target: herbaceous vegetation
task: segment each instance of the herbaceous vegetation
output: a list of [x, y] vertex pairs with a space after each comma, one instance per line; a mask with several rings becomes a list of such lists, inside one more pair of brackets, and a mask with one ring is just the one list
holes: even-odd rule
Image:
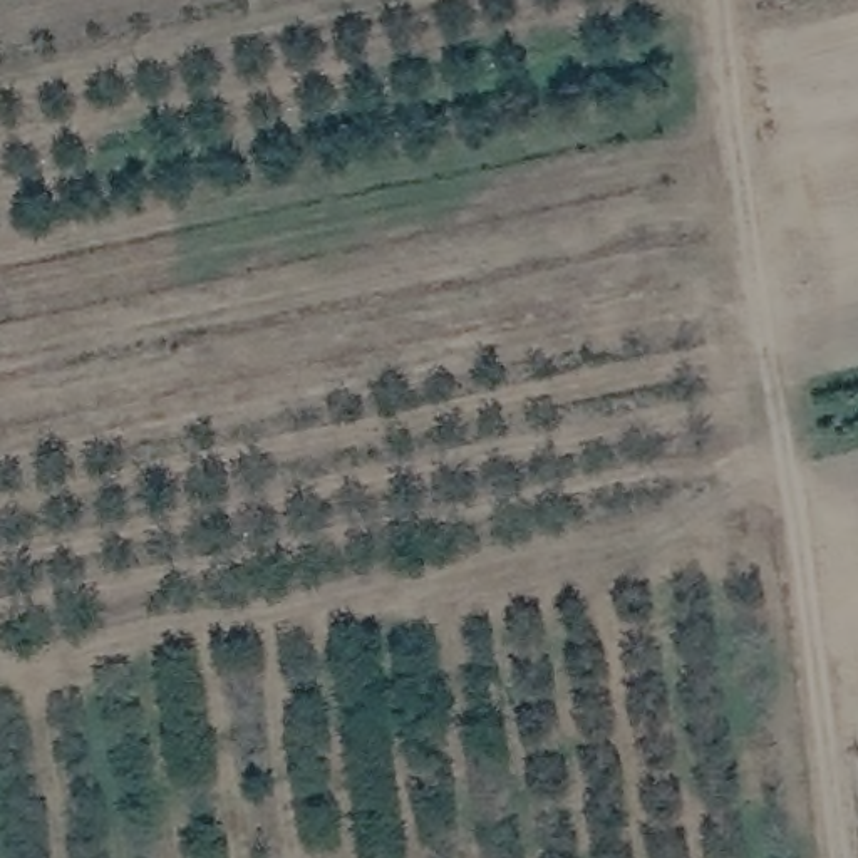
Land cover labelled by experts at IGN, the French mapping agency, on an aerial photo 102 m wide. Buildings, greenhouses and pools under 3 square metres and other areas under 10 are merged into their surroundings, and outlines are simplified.
[[322, 530], [288, 530], [278, 536], [278, 543], [285, 550], [325, 543], [345, 546], [345, 516], [328, 516]]
[[37, 583], [34, 590], [0, 597], [0, 623], [23, 610], [34, 610], [37, 603], [54, 603], [54, 587]]
[[801, 27], [818, 23], [824, 17], [858, 13], [858, 0], [741, 0], [734, 7], [737, 34], [764, 34], [771, 27]]
[[808, 459], [828, 459], [858, 449], [858, 426], [845, 436], [828, 432], [831, 416], [814, 416], [814, 399], [835, 392], [858, 392], [858, 369], [814, 382], [811, 392], [788, 409], [798, 452], [804, 452]]
[[[419, 841], [412, 791], [399, 788], [412, 781], [409, 761], [402, 751], [402, 737], [392, 737], [392, 774], [406, 835], [406, 858], [486, 858], [479, 851], [473, 828], [476, 821], [499, 821], [506, 814], [516, 814], [519, 821], [519, 845], [526, 858], [540, 858], [540, 835], [553, 831], [556, 811], [570, 811], [576, 851], [590, 851], [590, 821], [583, 808], [587, 774], [576, 747], [580, 727], [573, 721], [573, 690], [563, 657], [566, 630], [560, 620], [560, 607], [576, 597], [583, 597], [607, 657], [613, 744], [620, 751], [623, 771], [623, 841], [630, 845], [633, 858], [647, 858], [647, 811], [640, 801], [644, 757], [637, 747], [644, 724], [630, 724], [627, 714], [627, 677], [620, 650], [627, 633], [650, 633], [660, 647], [660, 674], [667, 684], [667, 714], [660, 721], [660, 731], [674, 737], [670, 764], [674, 778], [680, 781], [680, 828], [687, 835], [687, 858], [704, 858], [704, 804], [694, 794], [697, 754], [690, 747], [690, 737], [684, 734], [684, 704], [677, 687], [684, 667], [680, 654], [674, 650], [670, 617], [670, 576], [677, 570], [700, 570], [711, 587], [711, 613], [717, 627], [714, 674], [724, 690], [727, 737], [731, 747], [741, 754], [741, 791], [731, 798], [741, 818], [741, 845], [734, 858], [818, 858], [818, 804], [811, 784], [808, 731], [808, 694], [794, 647], [791, 563], [784, 546], [781, 489], [774, 476], [764, 389], [754, 365], [754, 345], [744, 325], [737, 318], [727, 318], [727, 305], [737, 302], [744, 292], [734, 268], [734, 198], [721, 158], [721, 141], [714, 131], [714, 114], [697, 101], [694, 67], [694, 57], [704, 50], [704, 0], [640, 0], [660, 10], [657, 27], [660, 47], [670, 54], [670, 80], [664, 94], [637, 94], [630, 111], [610, 111], [603, 101], [560, 107], [546, 104], [536, 107], [526, 127], [499, 131], [483, 147], [469, 147], [459, 137], [456, 121], [442, 127], [442, 137], [426, 151], [422, 161], [409, 158], [402, 131], [392, 131], [392, 137], [379, 147], [375, 161], [349, 161], [345, 171], [332, 174], [322, 168], [318, 158], [298, 151], [302, 164], [292, 171], [292, 178], [285, 184], [271, 184], [251, 151], [255, 127], [248, 101], [255, 94], [275, 94], [282, 104], [282, 121], [288, 127], [302, 127], [295, 87], [302, 84], [305, 90], [325, 90], [332, 97], [332, 111], [342, 114], [349, 104], [349, 67], [335, 54], [335, 20], [342, 13], [362, 13], [369, 20], [365, 64], [372, 67], [379, 87], [392, 87], [392, 74], [402, 70], [429, 70], [429, 101], [479, 94], [499, 84], [499, 67], [493, 54], [479, 54], [473, 60], [446, 60], [442, 30], [416, 34], [412, 54], [392, 57], [392, 44], [382, 27], [382, 7], [426, 7], [436, 0], [248, 0], [245, 13], [221, 13], [211, 20], [184, 23], [181, 7], [211, 0], [0, 0], [0, 509], [40, 509], [50, 496], [64, 493], [74, 493], [80, 499], [80, 519], [74, 530], [37, 530], [34, 536], [0, 543], [0, 566], [3, 560], [17, 560], [20, 550], [27, 550], [30, 560], [70, 550], [84, 560], [84, 583], [101, 600], [101, 623], [84, 640], [54, 640], [37, 647], [30, 657], [17, 657], [13, 650], [0, 647], [0, 687], [13, 687], [23, 700], [23, 714], [30, 724], [27, 761], [37, 791], [47, 798], [50, 858], [67, 858], [70, 781], [64, 764], [57, 764], [54, 757], [57, 727], [47, 717], [50, 690], [94, 684], [94, 694], [141, 700], [141, 707], [154, 707], [158, 690], [151, 657], [158, 654], [168, 660], [171, 650], [191, 644], [204, 680], [208, 721], [215, 727], [218, 774], [215, 781], [188, 784], [191, 791], [184, 798], [171, 798], [164, 804], [164, 818], [158, 828], [144, 831], [127, 824], [124, 835], [107, 835], [104, 841], [111, 858], [184, 858], [181, 831], [194, 814], [218, 818], [221, 835], [228, 841], [228, 858], [359, 858], [352, 835], [352, 794], [342, 754], [342, 707], [325, 657], [332, 620], [339, 627], [372, 630], [379, 637], [379, 664], [385, 674], [392, 670], [392, 623], [422, 620], [436, 630], [439, 640], [439, 667], [446, 674], [446, 687], [452, 697], [446, 711], [442, 751], [449, 754], [452, 768], [456, 818], [449, 841], [439, 841], [432, 851]], [[318, 74], [305, 74], [302, 80], [285, 64], [282, 47], [282, 30], [292, 23], [308, 23], [318, 30]], [[238, 77], [235, 40], [251, 34], [268, 44], [271, 67], [258, 77]], [[181, 121], [178, 137], [161, 137], [158, 131], [147, 131], [141, 124], [141, 117], [151, 111], [188, 107], [188, 84], [168, 87], [168, 94], [127, 94], [121, 104], [111, 107], [97, 107], [87, 101], [87, 80], [97, 70], [134, 74], [141, 60], [171, 64], [194, 47], [208, 47], [218, 60], [221, 77], [218, 84], [211, 84], [211, 94], [225, 101], [225, 124], [215, 121], [211, 127], [194, 131], [188, 121]], [[50, 80], [67, 84], [67, 114], [44, 114], [40, 87]], [[194, 181], [178, 208], [154, 194], [144, 194], [137, 215], [114, 211], [101, 221], [64, 221], [54, 225], [47, 235], [34, 238], [13, 228], [10, 211], [20, 181], [3, 171], [3, 147], [17, 141], [37, 151], [37, 168], [50, 198], [64, 194], [57, 184], [64, 178], [117, 171], [127, 158], [158, 161], [174, 154], [201, 154], [228, 141], [241, 151], [248, 184], [218, 188], [211, 181]], [[499, 359], [506, 369], [506, 382], [496, 389], [479, 385], [473, 379], [476, 359], [483, 365], [493, 365]], [[379, 416], [372, 382], [385, 369], [399, 369], [409, 379], [409, 385], [422, 385], [426, 375], [446, 369], [452, 372], [452, 395], [442, 402], [402, 409], [395, 416]], [[526, 422], [526, 402], [533, 395], [550, 395], [553, 402], [583, 399], [613, 389], [667, 382], [677, 369], [690, 369], [694, 379], [707, 382], [704, 395], [697, 399], [654, 406], [623, 399], [613, 402], [613, 416], [570, 412], [556, 429], [533, 429]], [[332, 419], [325, 395], [335, 389], [349, 389], [362, 399], [362, 416], [355, 422]], [[486, 436], [469, 446], [432, 446], [412, 456], [392, 456], [385, 442], [389, 432], [426, 432], [442, 416], [466, 419], [476, 416], [483, 406], [496, 402], [503, 406], [506, 436]], [[147, 540], [151, 533], [188, 530], [188, 469], [201, 466], [211, 456], [221, 463], [238, 459], [245, 452], [275, 456], [275, 476], [261, 489], [241, 486], [225, 496], [225, 513], [231, 516], [245, 503], [265, 503], [271, 509], [285, 506], [295, 489], [308, 489], [325, 499], [355, 479], [369, 493], [382, 493], [402, 473], [429, 476], [446, 466], [479, 469], [486, 459], [499, 456], [530, 459], [543, 446], [553, 446], [556, 452], [580, 452], [583, 442], [613, 442], [633, 426], [664, 436], [660, 459], [610, 466], [600, 473], [566, 479], [536, 479], [523, 489], [479, 489], [469, 503], [419, 503], [422, 519], [476, 523], [479, 540], [479, 550], [463, 553], [446, 566], [426, 566], [419, 576], [372, 566], [369, 573], [325, 580], [312, 590], [288, 590], [282, 600], [147, 613], [147, 593], [158, 590], [158, 583], [168, 573], [218, 573], [228, 563], [255, 560], [251, 546], [235, 543], [211, 556], [174, 556], [131, 570], [104, 566], [101, 546], [107, 536]], [[87, 473], [84, 449], [97, 439], [121, 442], [121, 469], [97, 476]], [[50, 459], [64, 449], [70, 459], [70, 476], [60, 483], [37, 486], [34, 452]], [[168, 469], [174, 493], [174, 506], [151, 516], [147, 503], [141, 499], [141, 476], [147, 469]], [[674, 483], [674, 496], [660, 506], [630, 506], [627, 513], [613, 513], [597, 506], [593, 499], [593, 489], [654, 486], [657, 479]], [[97, 519], [97, 493], [104, 486], [124, 486], [127, 519]], [[570, 523], [563, 533], [540, 533], [513, 546], [493, 540], [493, 509], [523, 506], [546, 493], [576, 496], [583, 506], [583, 519]], [[737, 603], [727, 597], [724, 580], [741, 576], [747, 570], [757, 570], [761, 576], [761, 603]], [[650, 617], [620, 620], [620, 613], [613, 610], [613, 597], [647, 587]], [[506, 644], [506, 620], [513, 620], [519, 610], [533, 610], [536, 603], [543, 630], [533, 640]], [[489, 700], [503, 714], [509, 747], [509, 761], [496, 771], [486, 771], [479, 761], [469, 764], [463, 747], [463, 664], [469, 660], [463, 623], [469, 613], [486, 613], [493, 627], [493, 664], [499, 674], [489, 680]], [[315, 664], [295, 667], [288, 677], [282, 677], [278, 637], [295, 627], [302, 627], [312, 637]], [[218, 670], [211, 647], [248, 640], [251, 630], [258, 630], [261, 637], [265, 667]], [[513, 677], [513, 657], [550, 657], [553, 684], [523, 687]], [[282, 741], [285, 700], [292, 690], [298, 697], [312, 697], [322, 690], [325, 700], [328, 794], [339, 804], [339, 848], [332, 851], [305, 851], [298, 838]], [[523, 741], [516, 724], [519, 700], [553, 700], [553, 727], [540, 737]], [[526, 754], [556, 747], [566, 757], [566, 794], [540, 798], [526, 784]]]
[[580, 40], [583, 17], [617, 17], [633, 0], [469, 0], [469, 27], [476, 44], [493, 44], [513, 34], [526, 47], [526, 67], [533, 84], [546, 84], [563, 60], [587, 60], [587, 47]]

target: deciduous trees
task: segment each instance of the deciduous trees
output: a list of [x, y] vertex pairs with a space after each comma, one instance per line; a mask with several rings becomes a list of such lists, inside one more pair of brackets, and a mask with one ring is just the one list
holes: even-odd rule
[[814, 416], [831, 416], [828, 432], [845, 436], [858, 426], [858, 392], [835, 392], [814, 399]]
[[385, 442], [392, 456], [412, 456], [432, 446], [469, 446], [486, 436], [506, 436], [503, 406], [496, 402], [483, 406], [476, 416], [466, 419], [442, 416], [426, 432], [389, 432]]
[[248, 0], [211, 0], [181, 7], [184, 23], [211, 20], [221, 13], [245, 13]]
[[533, 640], [543, 630], [536, 603], [533, 610], [519, 610], [513, 620], [506, 620], [506, 644]]
[[506, 814], [499, 821], [476, 821], [473, 828], [479, 851], [486, 858], [526, 858], [519, 845], [519, 821], [516, 814]]
[[349, 389], [335, 389], [325, 395], [332, 419], [355, 422], [362, 416], [362, 399]]
[[516, 724], [523, 741], [540, 737], [553, 727], [553, 700], [519, 700]]
[[566, 757], [556, 747], [526, 754], [526, 784], [540, 798], [566, 794]]
[[13, 687], [0, 687], [0, 858], [50, 858], [47, 798], [37, 791], [27, 761], [30, 724], [23, 714], [23, 700]]
[[647, 587], [613, 597], [613, 610], [620, 613], [620, 620], [650, 617]]
[[184, 858], [228, 858], [228, 841], [221, 835], [218, 818], [194, 814], [181, 831]]
[[141, 499], [147, 503], [151, 516], [174, 506], [174, 493], [168, 469], [147, 469], [141, 476]]
[[670, 576], [670, 617], [674, 650], [680, 654], [684, 667], [677, 687], [684, 704], [684, 734], [690, 737], [690, 747], [697, 754], [694, 794], [704, 804], [704, 858], [734, 858], [741, 845], [741, 818], [731, 798], [741, 791], [741, 754], [731, 747], [727, 737], [724, 690], [714, 674], [717, 627], [711, 613], [711, 587], [700, 570], [677, 570]]
[[526, 402], [526, 422], [533, 429], [556, 429], [570, 412], [613, 416], [613, 402], [623, 399], [654, 406], [697, 399], [704, 395], [707, 382], [694, 379], [690, 369], [677, 369], [667, 382], [613, 389], [583, 399], [553, 402], [550, 395], [533, 395]]
[[412, 791], [419, 841], [432, 851], [439, 841], [449, 841], [456, 818], [452, 768], [449, 754], [442, 751], [446, 711], [452, 697], [446, 687], [446, 674], [439, 667], [439, 640], [436, 630], [422, 620], [392, 623], [392, 670], [385, 674], [379, 664], [379, 637], [372, 630], [339, 627], [332, 620], [325, 657], [342, 707], [342, 754], [352, 794], [352, 835], [359, 858], [406, 858], [406, 835], [392, 774], [392, 737], [402, 737], [402, 751], [409, 761], [412, 781], [399, 788]]
[[101, 600], [84, 583], [84, 560], [70, 550], [30, 560], [27, 550], [20, 550], [17, 560], [3, 560], [0, 566], [0, 597], [34, 590], [37, 583], [54, 587], [54, 603], [37, 603], [34, 610], [23, 610], [0, 623], [0, 647], [13, 650], [17, 657], [30, 657], [37, 647], [54, 640], [84, 640], [101, 623]]
[[124, 486], [104, 486], [97, 493], [97, 519], [127, 519]]
[[151, 111], [141, 117], [141, 124], [147, 131], [158, 131], [161, 137], [178, 137], [181, 121], [188, 121], [194, 131], [211, 127], [215, 121], [225, 124], [225, 101], [211, 94], [211, 84], [218, 84], [221, 77], [218, 60], [208, 47], [194, 47], [171, 64], [141, 60], [134, 74], [97, 70], [87, 80], [87, 101], [97, 107], [111, 107], [121, 104], [127, 94], [168, 94], [168, 87], [188, 84], [188, 107]]
[[322, 168], [332, 174], [345, 171], [349, 161], [375, 161], [379, 147], [392, 137], [392, 131], [402, 131], [409, 158], [422, 161], [426, 151], [442, 137], [442, 127], [456, 121], [459, 137], [469, 147], [483, 147], [499, 131], [526, 127], [536, 107], [546, 104], [560, 107], [603, 101], [610, 111], [630, 111], [637, 94], [664, 94], [670, 80], [670, 54], [660, 47], [657, 27], [660, 10], [640, 0], [633, 0], [617, 17], [583, 17], [580, 40], [587, 47], [587, 60], [563, 60], [546, 84], [533, 84], [526, 67], [526, 47], [513, 34], [493, 44], [476, 44], [469, 27], [469, 0], [436, 0], [426, 7], [382, 7], [382, 27], [392, 44], [392, 57], [412, 54], [416, 34], [442, 30], [446, 60], [473, 60], [479, 54], [493, 54], [499, 67], [499, 84], [479, 94], [429, 101], [429, 70], [402, 70], [392, 74], [392, 87], [379, 87], [372, 67], [365, 64], [369, 20], [362, 13], [342, 13], [335, 20], [335, 54], [349, 67], [349, 104], [342, 114], [332, 111], [332, 97], [325, 90], [305, 90], [302, 84], [295, 87], [302, 127], [288, 127], [282, 121], [282, 104], [275, 94], [255, 94], [248, 101], [255, 127], [251, 151], [271, 184], [285, 184], [292, 178], [292, 171], [302, 164], [298, 151], [318, 158]]
[[0, 543], [34, 536], [37, 530], [74, 530], [80, 519], [80, 499], [74, 493], [64, 493], [50, 496], [40, 509], [0, 509]]
[[509, 761], [509, 747], [503, 714], [489, 700], [489, 680], [499, 674], [493, 664], [493, 627], [486, 613], [469, 613], [463, 623], [469, 660], [463, 664], [463, 747], [469, 764], [479, 761], [486, 771], [496, 771]]
[[523, 687], [553, 684], [550, 657], [513, 657], [513, 677]]
[[121, 469], [121, 442], [97, 439], [84, 449], [87, 473], [97, 476]]
[[576, 597], [560, 607], [560, 620], [566, 630], [563, 657], [573, 690], [573, 721], [580, 727], [576, 747], [587, 774], [583, 808], [590, 821], [590, 851], [576, 851], [570, 811], [556, 811], [553, 831], [540, 835], [540, 858], [633, 858], [630, 845], [623, 841], [623, 771], [620, 751], [613, 744], [607, 657], [583, 597]]
[[570, 523], [583, 519], [583, 506], [576, 496], [546, 493], [523, 506], [493, 509], [493, 540], [513, 546], [540, 533], [563, 533]]
[[312, 637], [302, 627], [295, 627], [278, 637], [282, 677], [288, 677], [295, 667], [315, 664]]
[[308, 23], [292, 23], [282, 30], [282, 47], [285, 64], [302, 80], [305, 74], [318, 74], [318, 30]]
[[[325, 499], [308, 489], [295, 489], [285, 506], [271, 509], [265, 503], [245, 503], [231, 516], [225, 513], [225, 496], [241, 486], [261, 489], [275, 476], [275, 456], [245, 452], [238, 459], [221, 463], [211, 456], [201, 466], [188, 469], [188, 530], [151, 533], [147, 540], [107, 536], [101, 546], [104, 566], [131, 570], [174, 556], [211, 556], [235, 543], [251, 546], [255, 560], [228, 563], [218, 573], [168, 573], [158, 583], [158, 590], [147, 593], [147, 613], [282, 600], [288, 590], [312, 590], [325, 580], [369, 573], [372, 566], [419, 576], [426, 566], [446, 566], [463, 553], [479, 550], [479, 540], [476, 523], [422, 519], [419, 503], [469, 503], [479, 489], [523, 489], [536, 479], [566, 479], [600, 473], [610, 466], [660, 459], [664, 436], [633, 426], [613, 442], [583, 442], [580, 452], [556, 452], [553, 446], [543, 446], [530, 459], [499, 456], [486, 459], [479, 469], [446, 466], [429, 476], [402, 473], [382, 493], [369, 493], [355, 479]], [[345, 546], [325, 543], [285, 550], [278, 543], [278, 536], [288, 530], [322, 530], [328, 516], [345, 516]]]
[[215, 781], [218, 774], [215, 727], [208, 721], [204, 680], [191, 644], [171, 650], [168, 660], [158, 654], [151, 657], [158, 690], [154, 707], [141, 707], [141, 700], [94, 694], [94, 684], [50, 690], [47, 717], [57, 727], [54, 757], [57, 764], [64, 764], [70, 781], [67, 858], [111, 858], [104, 841], [107, 835], [124, 835], [127, 824], [144, 831], [158, 828], [164, 818], [164, 804], [171, 798], [184, 798], [191, 791], [188, 784]]
[[34, 452], [37, 486], [60, 483], [70, 476], [70, 459], [64, 449], [50, 459]]
[[379, 416], [395, 416], [402, 409], [442, 402], [452, 395], [452, 372], [446, 369], [426, 375], [422, 385], [409, 385], [409, 379], [399, 369], [385, 369], [372, 382]]
[[218, 670], [265, 667], [261, 637], [258, 630], [251, 630], [248, 640], [211, 647]]
[[251, 34], [235, 40], [238, 77], [258, 77], [271, 67], [268, 44]]
[[687, 858], [687, 835], [680, 828], [680, 781], [674, 778], [670, 764], [674, 737], [660, 731], [660, 721], [667, 714], [667, 684], [660, 674], [660, 647], [650, 633], [627, 633], [620, 650], [627, 677], [627, 714], [630, 724], [644, 724], [637, 747], [644, 757], [640, 801], [647, 811], [647, 858]]
[[757, 570], [747, 570], [741, 576], [724, 580], [727, 597], [737, 603], [761, 603], [761, 576]]
[[47, 235], [54, 225], [64, 221], [101, 221], [114, 211], [137, 215], [144, 194], [154, 194], [178, 208], [194, 181], [211, 181], [218, 188], [248, 184], [241, 151], [228, 141], [201, 154], [174, 154], [158, 161], [127, 158], [117, 171], [64, 178], [57, 184], [64, 194], [50, 198], [37, 168], [37, 151], [17, 141], [3, 147], [3, 171], [20, 181], [10, 211], [13, 228], [34, 238]]
[[499, 359], [493, 365], [483, 365], [476, 359], [473, 379], [479, 385], [496, 389], [506, 382], [506, 369]]
[[67, 114], [67, 84], [50, 80], [40, 87], [44, 114]]
[[674, 483], [657, 479], [654, 486], [593, 489], [593, 499], [597, 506], [613, 513], [627, 513], [630, 506], [660, 506], [674, 496]]
[[339, 804], [328, 794], [325, 700], [322, 690], [312, 697], [298, 697], [292, 690], [285, 700], [282, 741], [298, 838], [305, 851], [332, 851], [339, 848]]

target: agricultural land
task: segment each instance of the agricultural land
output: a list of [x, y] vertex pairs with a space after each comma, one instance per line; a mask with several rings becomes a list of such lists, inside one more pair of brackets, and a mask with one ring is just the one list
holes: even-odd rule
[[727, 47], [714, 50], [717, 60], [731, 60], [731, 107], [714, 114], [714, 131], [721, 141], [721, 158], [734, 198], [734, 268], [744, 292], [737, 302], [727, 305], [727, 318], [737, 318], [744, 325], [754, 345], [754, 365], [764, 389], [774, 476], [781, 489], [784, 546], [791, 563], [794, 647], [808, 694], [808, 731], [824, 724], [824, 737], [838, 737], [838, 744], [858, 757], [858, 449], [828, 459], [808, 459], [804, 452], [798, 452], [788, 409], [811, 392], [814, 382], [858, 369], [858, 13], [824, 17], [818, 23], [801, 27], [771, 27], [764, 34], [737, 34], [727, 37]]

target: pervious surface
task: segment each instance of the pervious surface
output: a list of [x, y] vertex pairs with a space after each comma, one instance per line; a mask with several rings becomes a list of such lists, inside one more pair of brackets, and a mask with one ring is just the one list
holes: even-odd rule
[[824, 737], [824, 724], [808, 731], [811, 784], [818, 804], [818, 858], [858, 858], [858, 757], [838, 744], [838, 737]]
[[714, 50], [727, 47], [727, 37], [737, 34], [734, 7], [741, 0], [704, 0], [704, 50], [694, 57], [694, 67], [697, 101], [714, 114], [731, 107], [731, 60], [717, 60]]

